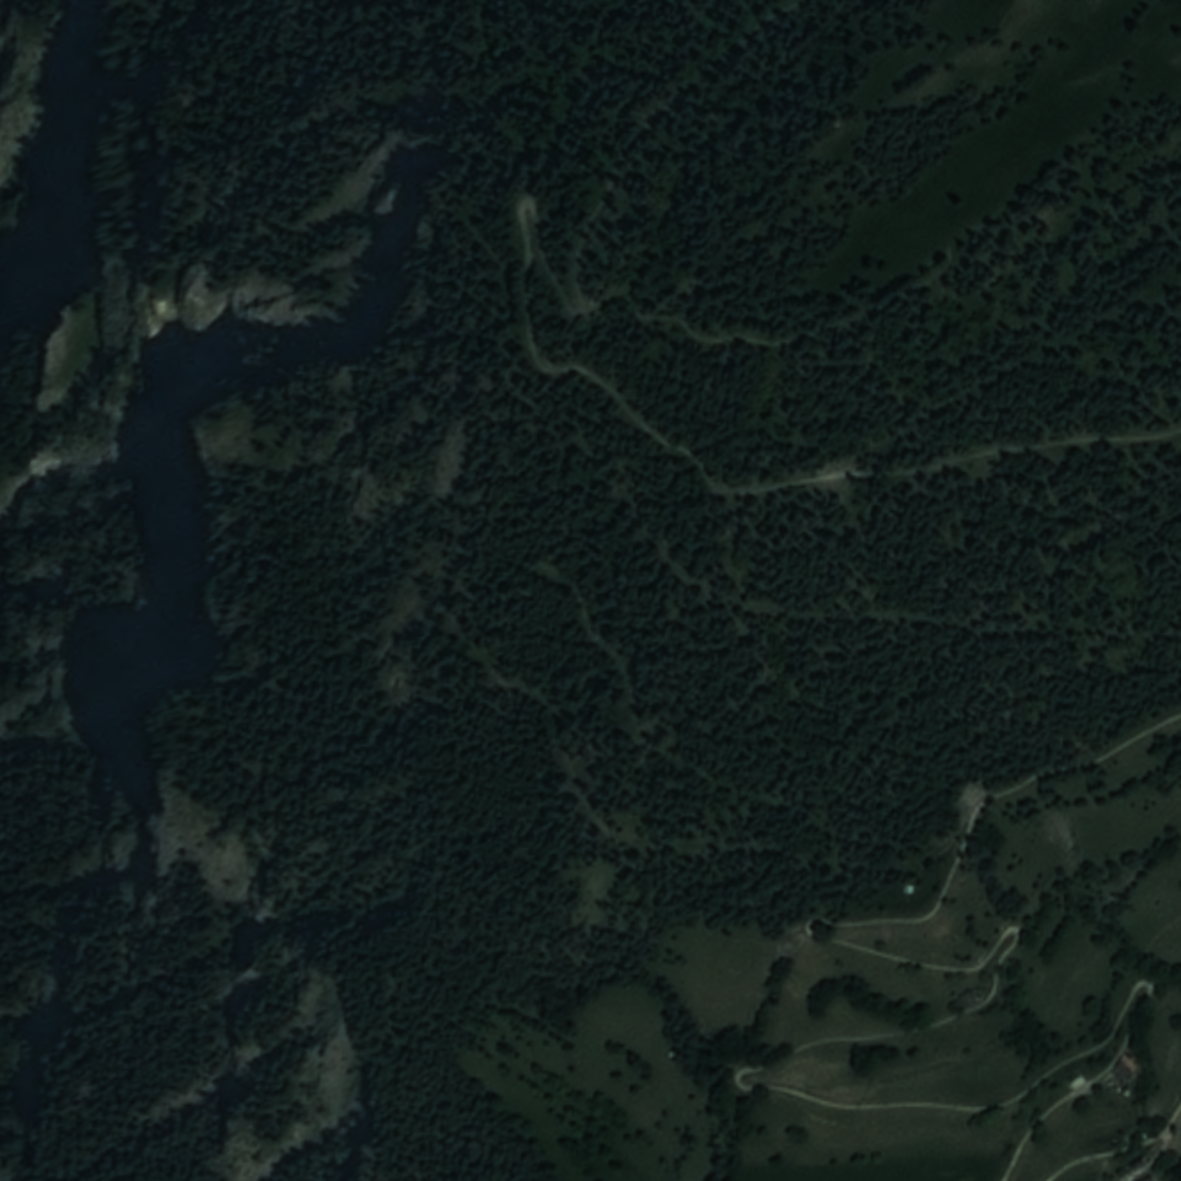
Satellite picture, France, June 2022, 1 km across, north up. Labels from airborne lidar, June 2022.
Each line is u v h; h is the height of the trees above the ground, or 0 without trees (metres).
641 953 25
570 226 12
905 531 27
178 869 10
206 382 0
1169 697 21
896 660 23
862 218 0
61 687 0
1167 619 12
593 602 22
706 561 15
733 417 21
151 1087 17
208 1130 11
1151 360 30
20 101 0
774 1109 0
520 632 20
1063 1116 0
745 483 11
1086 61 0
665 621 22
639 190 24
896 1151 0
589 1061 0
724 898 18
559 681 28
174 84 15
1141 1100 11
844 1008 0
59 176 15
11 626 21
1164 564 28
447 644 14
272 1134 13
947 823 14
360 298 0
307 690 22
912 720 8
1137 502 25
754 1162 0
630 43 9
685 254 19
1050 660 24
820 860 18
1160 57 0
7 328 15
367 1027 15
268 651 16
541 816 12
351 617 18
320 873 17
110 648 0
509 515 16
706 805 13
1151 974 17
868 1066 27
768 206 18
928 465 25
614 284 8
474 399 24
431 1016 18
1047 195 24
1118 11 0
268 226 7
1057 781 16
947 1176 0
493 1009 15
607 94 27
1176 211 30
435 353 24
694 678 26
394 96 0
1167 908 0
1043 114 0
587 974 17
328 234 23
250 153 19
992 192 0
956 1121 0
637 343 26
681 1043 20
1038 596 32
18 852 17
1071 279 0
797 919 24
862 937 0
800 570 30
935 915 0
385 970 17
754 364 19
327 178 10
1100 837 0
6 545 25
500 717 19
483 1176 25
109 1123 15
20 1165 22
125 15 20
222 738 22
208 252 18
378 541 16
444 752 22
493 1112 22
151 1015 23
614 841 8
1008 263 25
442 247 11
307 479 17
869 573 14
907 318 24
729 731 17
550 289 9
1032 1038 18
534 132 12
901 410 27
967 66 0
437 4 23
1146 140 23
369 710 26
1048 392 18
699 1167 0
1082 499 23
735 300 10
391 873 20
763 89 11
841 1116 0
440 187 22
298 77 24
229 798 28
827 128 22
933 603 21
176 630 0
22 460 20
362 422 12
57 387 0
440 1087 12
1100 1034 10
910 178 24
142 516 11
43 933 9
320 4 11
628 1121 9
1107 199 27
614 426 28
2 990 17
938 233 0
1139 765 0
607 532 28
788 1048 14
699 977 0
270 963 8
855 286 14
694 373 20
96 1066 20
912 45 18
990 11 0
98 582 19
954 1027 0
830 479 0
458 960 18
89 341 0
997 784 17
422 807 21
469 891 27
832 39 14
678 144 11
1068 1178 0
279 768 20
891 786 24
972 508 29
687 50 21
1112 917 14
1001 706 21
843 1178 0
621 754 25
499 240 20
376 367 24
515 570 18
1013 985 13
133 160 10
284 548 20
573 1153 20
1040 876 8
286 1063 12
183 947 25
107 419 10
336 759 23
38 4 27
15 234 0
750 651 25
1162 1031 0
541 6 6
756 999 0
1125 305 29
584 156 10
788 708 8
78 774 19
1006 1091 0
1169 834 16
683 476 18
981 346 10
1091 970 0
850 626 24
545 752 17
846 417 19
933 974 0
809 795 24
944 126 25
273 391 13
